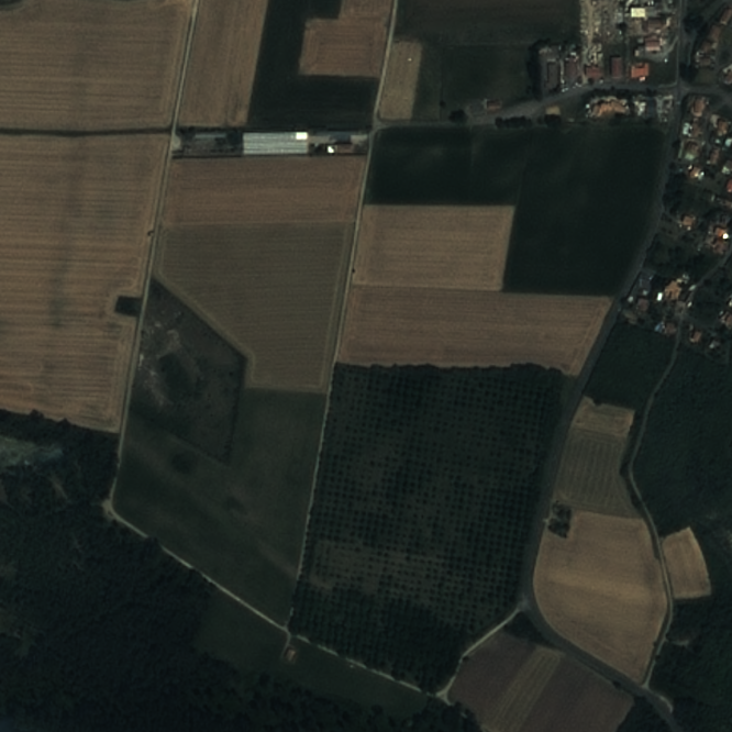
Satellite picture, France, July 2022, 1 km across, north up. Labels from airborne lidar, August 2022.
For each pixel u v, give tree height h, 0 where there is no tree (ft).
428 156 0
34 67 0
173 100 0
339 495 22
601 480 0
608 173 0
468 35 0
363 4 0
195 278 0
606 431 0
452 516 28
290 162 0
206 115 0
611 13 0
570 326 0
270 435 0
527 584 0
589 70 0
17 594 24
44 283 0
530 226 0
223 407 0
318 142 0
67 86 0
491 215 0
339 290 0
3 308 0
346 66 0
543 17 0
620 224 0
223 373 0
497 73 0
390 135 0
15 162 0
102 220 0
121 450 0
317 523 24
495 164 0
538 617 0
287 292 0
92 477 51
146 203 0
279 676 0
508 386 26
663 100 0
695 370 18
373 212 0
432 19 0
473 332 0
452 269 0
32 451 0
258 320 0
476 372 34
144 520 0
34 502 60
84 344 0
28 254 0
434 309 0
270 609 0
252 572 0
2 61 0
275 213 0
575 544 0
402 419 29
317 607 29
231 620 0
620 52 0
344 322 0
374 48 0
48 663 79
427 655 60
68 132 0
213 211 0
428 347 0
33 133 0
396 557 0
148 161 0
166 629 51
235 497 0
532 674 0
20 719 112
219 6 0
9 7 0
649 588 0
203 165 0
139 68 0
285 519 0
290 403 0
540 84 27
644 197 0
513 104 0
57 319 0
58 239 0
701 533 26
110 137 0
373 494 23
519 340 0
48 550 63
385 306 0
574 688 0
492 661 0
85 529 76
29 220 0
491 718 0
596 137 0
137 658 69
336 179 0
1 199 0
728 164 0
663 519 27
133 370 0
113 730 105
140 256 0
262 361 0
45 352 0
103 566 62
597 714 0
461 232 0
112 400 0
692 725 34
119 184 0
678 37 0
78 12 0
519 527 30
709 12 0
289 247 0
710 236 0
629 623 0
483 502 22
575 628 0
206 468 0
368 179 0
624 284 0
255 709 81
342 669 0
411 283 0
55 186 0
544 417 28
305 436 0
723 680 24
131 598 19
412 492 29
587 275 0
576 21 0
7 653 34
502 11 0
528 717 0
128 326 0
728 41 0
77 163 0
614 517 0
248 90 0
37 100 0
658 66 0
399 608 34
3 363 0
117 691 91
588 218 0
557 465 0
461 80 0
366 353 0
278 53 0
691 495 23
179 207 0
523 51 0
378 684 0
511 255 0
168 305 0
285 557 0
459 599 30
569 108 0
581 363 0
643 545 0
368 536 28
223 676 59
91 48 0
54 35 0
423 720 46
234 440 0
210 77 0
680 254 34
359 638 45
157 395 0
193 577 42
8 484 47
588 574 0
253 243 0
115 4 0
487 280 0
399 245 0
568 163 0
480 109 0
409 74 0
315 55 0
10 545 49
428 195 0
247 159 0
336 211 0
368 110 0
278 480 0
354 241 0
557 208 0
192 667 40
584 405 0
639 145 0
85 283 0
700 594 0
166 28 0
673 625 23
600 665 0
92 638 60
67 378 0
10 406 0
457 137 0
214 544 0
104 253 0
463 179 0
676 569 0
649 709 41
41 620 47
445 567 22
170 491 0
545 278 0
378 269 0
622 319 24
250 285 0
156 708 111
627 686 0
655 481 18
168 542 0
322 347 0
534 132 0
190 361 0
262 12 0
